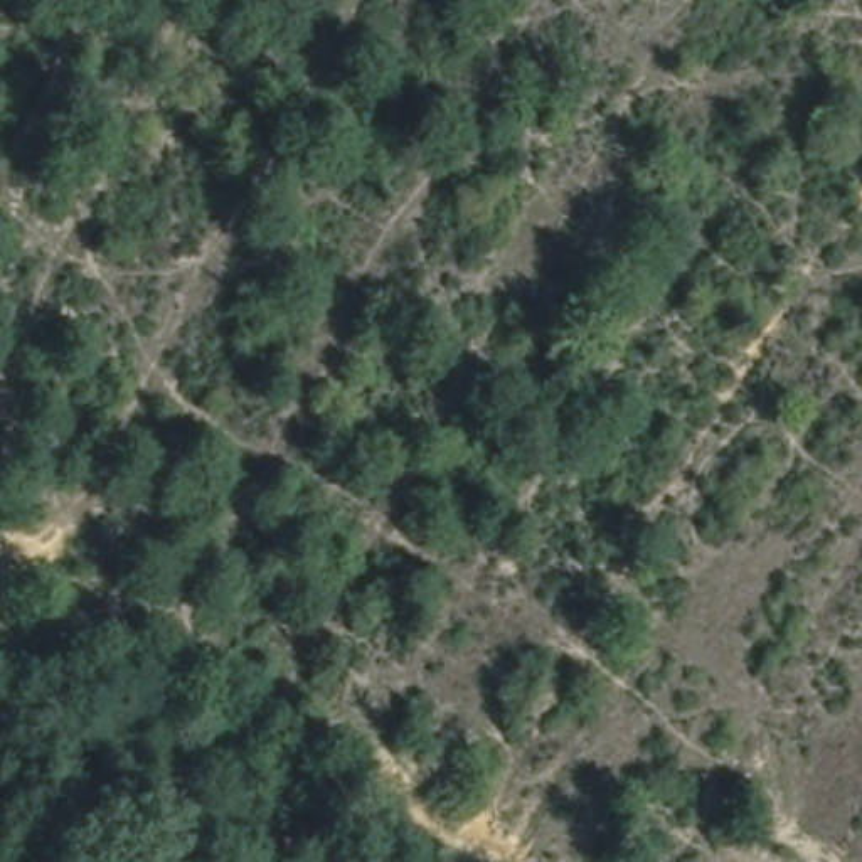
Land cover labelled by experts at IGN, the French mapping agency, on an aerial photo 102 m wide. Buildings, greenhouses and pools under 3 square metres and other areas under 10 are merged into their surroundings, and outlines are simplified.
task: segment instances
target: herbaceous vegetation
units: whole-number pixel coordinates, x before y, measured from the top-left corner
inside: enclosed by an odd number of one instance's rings
[[[155,330],[148,337],[131,337],[141,391],[165,394],[165,401],[178,414],[209,424],[219,438],[232,438],[229,421],[189,401],[175,374],[162,364],[162,354],[175,343],[175,333],[185,323],[185,317],[205,310],[216,300],[229,253],[229,236],[219,226],[202,236],[195,253],[168,259],[162,266],[162,279],[182,276],[182,290],[175,296],[158,300]]]
[[[761,333],[778,337],[791,306],[808,306],[808,323],[822,327],[822,320],[828,317],[832,290],[842,286],[845,276],[862,276],[862,253],[852,253],[842,263],[825,266],[815,246],[801,249],[801,256],[788,266],[788,273],[778,283],[781,300],[774,313],[758,327]]]
[[[785,539],[781,532],[771,532],[764,522],[754,522],[754,512],[768,508],[774,498],[771,492],[758,492],[737,508],[741,542],[710,545],[700,539],[694,525],[680,525],[680,542],[687,545],[690,559],[673,569],[680,579],[687,579],[684,609],[677,616],[667,616],[660,609],[660,596],[643,596],[636,589],[636,579],[630,576],[640,569],[640,542],[643,532],[650,532],[647,519],[663,512],[667,495],[677,498],[677,508],[697,512],[700,498],[697,488],[684,482],[684,468],[710,471],[717,465],[717,455],[751,428],[754,414],[778,421],[778,407],[788,397],[781,380],[748,374],[754,357],[761,354],[761,340],[751,337],[737,354],[731,354],[731,377],[714,397],[727,404],[737,394],[744,394],[754,411],[731,421],[724,434],[700,428],[684,448],[684,455],[673,461],[670,482],[657,485],[643,512],[626,502],[593,502],[593,508],[586,512],[593,532],[616,545],[609,559],[616,572],[609,579],[603,579],[596,569],[576,572],[572,583],[559,593],[556,609],[549,609],[529,589],[505,589],[505,576],[515,576],[515,562],[505,556],[498,549],[482,549],[475,535],[465,535],[458,549],[431,549],[394,529],[380,508],[367,512],[360,519],[367,549],[391,542],[407,556],[418,556],[434,569],[444,569],[455,583],[455,596],[441,609],[434,609],[434,616],[424,626],[424,636],[411,647],[404,660],[397,660],[387,650],[387,623],[374,636],[367,636],[354,626],[343,626],[330,613],[323,630],[340,643],[357,647],[364,653],[364,667],[354,670],[333,697],[313,694],[306,700],[317,717],[323,717],[327,724],[343,724],[370,744],[374,761],[380,768],[364,781],[360,795],[374,808],[401,808],[418,828],[434,835],[441,845],[485,862],[636,862],[623,845],[623,835],[633,818],[630,811],[623,811],[623,795],[633,788],[633,781],[660,778],[673,761],[680,761],[684,768],[700,768],[697,828],[673,828],[670,838],[677,842],[677,852],[667,862],[862,862],[862,438],[852,444],[852,458],[828,471],[828,495],[815,502],[811,529]],[[832,532],[835,542],[828,545],[822,566],[808,572],[801,583],[801,620],[788,630],[788,640],[778,650],[768,650],[764,640],[751,647],[741,636],[744,613],[758,606],[768,576],[788,559],[805,559],[822,532]],[[620,599],[640,599],[643,606],[650,606],[647,623],[653,626],[653,653],[626,677],[613,677],[613,697],[596,724],[556,731],[552,737],[559,741],[559,751],[552,754],[552,761],[545,761],[542,768],[529,768],[522,748],[515,748],[498,731],[502,724],[508,724],[505,687],[519,660],[532,653],[535,643],[562,653],[556,660],[556,690],[539,690],[529,704],[532,714],[542,717],[556,697],[572,704],[579,697],[579,684],[603,660],[603,616]],[[411,704],[418,690],[428,694],[438,717],[461,717],[465,737],[471,744],[492,741],[502,754],[502,768],[488,781],[485,808],[461,825],[451,825],[421,805],[414,788],[414,758],[394,754],[401,734],[411,724]],[[774,838],[764,849],[710,845],[704,835],[717,832],[724,822],[734,822],[748,805],[751,788],[768,798]]]
[[[418,172],[411,189],[401,192],[394,205],[380,212],[364,212],[343,239],[340,253],[347,256],[350,279],[387,273],[380,256],[397,236],[418,226],[431,182],[428,172]]]
[[[98,276],[104,263],[94,256],[94,249],[104,246],[111,236],[104,232],[101,219],[91,216],[81,226],[74,226],[71,219],[40,219],[24,202],[24,189],[17,189],[10,175],[10,162],[0,162],[0,209],[7,209],[7,216],[20,222],[24,232],[24,256],[17,256],[0,273],[0,306],[13,317],[20,303],[44,303],[54,273],[64,263],[77,266],[91,279]]]
[[[290,350],[283,364],[310,377],[327,377],[330,367],[323,364],[323,347],[333,333],[327,317],[320,323],[303,323],[300,333],[306,337],[306,343],[300,350]]]
[[[515,232],[512,249],[488,249],[478,269],[465,269],[458,263],[434,263],[421,249],[414,253],[414,266],[421,273],[421,296],[434,306],[451,306],[465,293],[492,293],[492,337],[508,347],[522,333],[532,337],[525,370],[542,387],[552,374],[562,374],[572,364],[569,354],[549,357],[552,340],[572,330],[569,296],[589,290],[613,269],[620,253],[643,242],[643,219],[667,195],[667,158],[660,155],[663,145],[657,125],[630,125],[623,118],[633,98],[667,91],[673,108],[700,111],[704,104],[710,104],[714,94],[734,98],[741,88],[761,84],[761,71],[751,64],[737,64],[734,71],[714,71],[700,64],[680,71],[684,57],[673,51],[673,44],[680,40],[680,20],[687,17],[694,0],[522,0],[522,10],[515,13],[519,27],[532,30],[559,13],[576,13],[596,30],[596,44],[586,44],[579,54],[599,64],[599,88],[593,91],[593,101],[583,108],[572,138],[549,138],[549,145],[542,148],[542,172],[522,168],[519,172],[522,212],[508,219],[508,232]]]
[[[838,354],[825,354],[822,360],[832,370],[832,384],[842,391],[838,397],[832,397],[838,414],[852,414],[855,401],[862,401],[862,384]]]
[[[47,512],[44,525],[37,525],[34,532],[3,532],[3,542],[17,545],[30,559],[57,559],[84,515],[104,512],[98,495],[47,488],[40,492]]]
[[[276,455],[286,444],[283,431],[276,428],[266,438],[236,441],[242,455]]]

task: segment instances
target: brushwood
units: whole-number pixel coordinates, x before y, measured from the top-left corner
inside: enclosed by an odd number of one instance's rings
[[[673,761],[660,778],[633,781],[633,788],[623,795],[623,811],[630,811],[633,818],[623,835],[623,845],[636,862],[667,862],[677,852],[677,842],[670,838],[673,828],[697,828],[700,768],[684,768],[680,761]]]
[[[502,754],[492,741],[471,744],[465,737],[461,717],[438,717],[428,694],[418,690],[411,704],[411,724],[401,734],[394,754],[414,758],[414,788],[421,805],[451,825],[461,825],[485,808],[488,781],[502,768]]]
[[[700,199],[687,199],[690,216],[700,222],[697,249],[667,286],[660,306],[636,327],[640,337],[630,340],[616,370],[623,387],[643,384],[653,391],[653,414],[647,428],[626,444],[616,468],[596,478],[583,478],[579,485],[542,482],[535,502],[519,508],[522,529],[505,556],[515,562],[515,576],[505,576],[505,589],[529,589],[549,609],[556,609],[559,593],[572,583],[576,572],[596,569],[603,579],[609,579],[616,572],[609,559],[616,545],[593,532],[586,512],[593,508],[593,502],[626,502],[643,512],[657,485],[670,482],[673,461],[684,455],[684,448],[700,428],[724,434],[731,421],[754,411],[744,394],[737,394],[727,404],[714,397],[731,377],[731,354],[737,354],[751,337],[761,340],[761,354],[754,357],[748,374],[781,380],[788,397],[778,407],[778,421],[754,414],[751,428],[717,455],[717,465],[710,471],[684,468],[684,482],[697,488],[700,498],[697,512],[677,508],[677,498],[667,495],[663,512],[647,519],[650,532],[643,532],[640,542],[640,569],[630,576],[636,579],[636,589],[643,596],[660,596],[660,609],[667,616],[677,616],[684,609],[687,579],[680,579],[673,569],[690,559],[687,545],[680,542],[680,525],[694,525],[700,539],[710,545],[741,542],[737,508],[758,492],[771,492],[774,498],[768,508],[754,512],[754,522],[764,522],[771,532],[781,532],[785,539],[811,529],[815,502],[828,495],[828,471],[852,458],[852,444],[862,438],[862,401],[855,401],[852,414],[838,414],[832,397],[838,397],[842,391],[832,384],[832,370],[822,360],[825,354],[838,354],[862,384],[862,276],[845,276],[842,286],[832,290],[828,317],[822,320],[822,327],[808,323],[808,306],[791,306],[778,337],[761,333],[758,327],[774,313],[781,300],[778,283],[788,273],[788,266],[801,256],[801,249],[815,246],[825,266],[842,263],[852,253],[862,253],[862,0],[694,0],[687,17],[680,20],[680,40],[673,44],[673,51],[684,57],[680,71],[700,64],[714,71],[734,71],[737,64],[751,64],[761,71],[761,84],[741,88],[734,98],[714,94],[710,104],[704,104],[700,111],[673,108],[667,91],[633,98],[623,118],[630,125],[657,125],[663,145],[684,138],[714,168],[714,185],[700,189]]]
[[[808,572],[822,566],[828,545],[835,542],[832,532],[822,532],[805,559],[788,559],[768,576],[758,606],[744,613],[741,636],[751,647],[764,640],[768,650],[778,650],[788,640],[788,630],[801,620],[801,583]]]
[[[710,845],[764,849],[774,838],[768,798],[751,788],[748,805],[734,822],[724,822],[717,832],[704,835]]]
[[[397,236],[380,256],[387,273],[414,266],[414,253],[421,249],[434,263],[458,263],[465,269],[478,269],[488,249],[512,249],[515,232],[508,232],[508,219],[522,212],[519,172],[498,175],[495,155],[475,155],[461,172],[438,175],[431,182],[418,226]]]
[[[653,626],[647,623],[650,606],[643,606],[640,599],[620,599],[603,616],[603,660],[579,684],[579,697],[572,704],[556,697],[542,717],[532,714],[529,704],[539,690],[556,690],[556,660],[562,653],[535,643],[532,653],[519,660],[505,687],[508,724],[502,724],[498,731],[515,748],[522,748],[529,768],[542,768],[545,761],[552,761],[552,754],[559,751],[559,741],[552,737],[556,731],[596,724],[613,697],[613,677],[626,677],[653,653]]]
[[[290,350],[300,350],[306,343],[306,337],[300,333],[269,340],[253,354],[242,354],[236,347],[239,290],[246,283],[273,286],[293,269],[290,246],[266,249],[249,242],[249,219],[256,216],[256,195],[263,192],[263,185],[283,168],[276,152],[279,128],[300,118],[310,125],[333,121],[327,101],[337,84],[360,77],[360,64],[354,54],[357,47],[404,40],[404,77],[394,94],[377,101],[374,114],[374,141],[387,148],[387,155],[394,158],[428,135],[431,114],[441,108],[448,94],[468,94],[475,101],[475,125],[492,125],[505,118],[519,91],[539,91],[535,128],[525,128],[519,148],[522,168],[542,172],[542,148],[549,145],[549,138],[572,138],[583,108],[593,101],[593,91],[599,88],[599,64],[579,54],[586,44],[596,44],[596,30],[576,13],[559,13],[532,30],[519,27],[482,51],[478,44],[458,40],[458,27],[451,24],[455,0],[323,0],[323,13],[313,20],[313,30],[303,47],[279,57],[256,54],[229,81],[219,67],[212,67],[212,51],[199,37],[178,30],[175,24],[165,24],[158,40],[172,57],[162,64],[155,81],[148,81],[138,94],[121,94],[118,101],[118,111],[125,114],[125,162],[118,175],[108,178],[98,172],[98,192],[74,195],[54,192],[47,182],[47,162],[57,155],[51,148],[51,111],[64,111],[74,104],[71,94],[77,61],[88,40],[77,27],[51,37],[40,34],[30,17],[24,24],[7,24],[0,17],[0,162],[10,162],[10,175],[17,189],[24,189],[24,202],[40,219],[71,219],[74,226],[81,226],[91,216],[101,219],[104,232],[111,236],[104,246],[94,249],[94,256],[104,263],[98,276],[91,279],[77,266],[64,263],[54,273],[44,303],[67,320],[94,317],[94,323],[104,330],[101,360],[111,360],[111,370],[121,380],[121,421],[138,414],[141,391],[131,337],[148,337],[155,330],[158,300],[175,296],[182,290],[182,276],[162,279],[162,266],[168,259],[195,253],[202,236],[219,226],[229,236],[229,253],[216,300],[205,310],[185,317],[185,323],[175,333],[175,343],[162,354],[162,364],[175,374],[189,401],[229,421],[232,438],[236,441],[266,438],[276,428],[283,431],[290,411],[283,411],[273,401],[273,377],[283,364]]]

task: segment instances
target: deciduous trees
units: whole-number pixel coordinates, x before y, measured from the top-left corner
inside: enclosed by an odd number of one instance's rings
[[[458,27],[458,40],[478,44],[482,51],[519,27],[515,13],[522,10],[522,0],[455,0],[451,24]]]
[[[0,273],[17,256],[24,256],[24,232],[20,222],[7,216],[7,209],[0,209]]]
[[[647,428],[653,414],[653,391],[643,384],[623,387],[616,370],[630,340],[640,337],[636,327],[660,306],[667,286],[697,249],[700,222],[690,216],[687,199],[700,199],[700,189],[714,185],[714,168],[684,138],[663,145],[660,155],[667,158],[667,195],[643,219],[643,242],[620,253],[613,269],[589,290],[569,296],[572,330],[552,340],[549,357],[569,354],[572,364],[562,374],[552,374],[542,387],[525,370],[532,337],[522,333],[508,347],[492,337],[492,293],[465,293],[451,306],[434,306],[421,296],[421,273],[414,266],[387,273],[350,279],[347,256],[340,253],[343,239],[364,212],[380,212],[394,205],[401,192],[411,189],[418,172],[428,172],[431,182],[438,175],[461,172],[475,155],[495,155],[498,175],[519,172],[522,168],[519,148],[525,128],[535,128],[539,91],[519,91],[505,118],[492,125],[475,125],[475,101],[468,94],[448,94],[441,108],[431,114],[428,135],[394,158],[387,155],[387,148],[374,141],[374,114],[377,101],[394,94],[404,77],[404,40],[357,47],[354,54],[360,64],[360,77],[337,84],[327,101],[333,121],[310,125],[300,118],[279,128],[276,152],[283,168],[263,185],[263,192],[256,195],[256,216],[249,219],[249,242],[266,249],[290,246],[293,269],[273,286],[246,283],[239,290],[236,347],[242,354],[253,354],[269,340],[300,333],[303,323],[320,323],[327,317],[333,333],[323,347],[323,364],[330,367],[327,377],[310,377],[283,364],[273,377],[273,401],[283,411],[290,411],[283,431],[286,444],[276,455],[242,455],[236,441],[232,438],[219,438],[209,424],[178,414],[165,401],[165,394],[141,391],[138,414],[121,421],[121,380],[111,370],[111,360],[101,360],[104,330],[94,323],[94,317],[67,320],[44,303],[20,303],[13,317],[0,306],[0,862],[485,862],[441,845],[434,835],[418,828],[401,808],[374,808],[360,795],[364,781],[380,768],[374,761],[370,744],[343,724],[327,724],[323,717],[317,717],[306,700],[313,694],[333,697],[354,670],[364,667],[364,653],[357,647],[340,643],[323,630],[330,613],[343,626],[354,626],[367,636],[374,636],[387,623],[387,650],[397,660],[404,660],[411,647],[424,636],[424,626],[434,616],[434,609],[441,609],[455,596],[455,583],[444,569],[434,569],[418,556],[407,556],[391,542],[367,549],[360,519],[367,512],[380,508],[394,529],[431,549],[458,549],[465,535],[475,535],[482,549],[498,549],[505,556],[522,529],[519,508],[535,502],[542,482],[579,485],[583,478],[596,478],[616,468],[626,444]],[[47,512],[40,492],[47,488],[98,495],[104,512],[84,515],[57,559],[30,559],[17,545],[3,542],[3,532],[34,532],[37,525],[44,525]]]
[[[323,0],[0,0],[0,17],[7,24],[24,24],[30,17],[40,34],[51,37],[77,27],[88,40],[77,61],[71,94],[74,104],[64,111],[51,111],[51,148],[57,155],[47,162],[47,182],[54,192],[74,195],[98,192],[98,172],[108,178],[118,175],[125,162],[125,114],[118,111],[118,101],[121,94],[138,94],[148,81],[155,81],[162,64],[172,57],[158,40],[165,24],[175,24],[178,30],[199,37],[212,51],[212,67],[219,67],[229,81],[256,54],[279,57],[303,47],[313,30],[313,20],[323,13]]]

